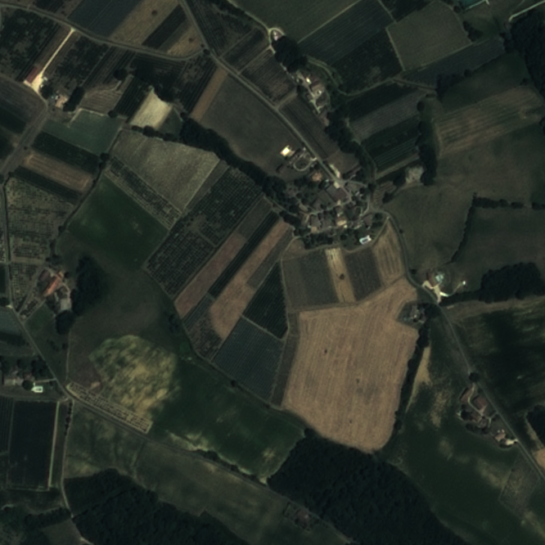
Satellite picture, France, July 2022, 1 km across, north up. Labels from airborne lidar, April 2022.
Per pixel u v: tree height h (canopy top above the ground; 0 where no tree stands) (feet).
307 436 24
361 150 40
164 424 0
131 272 0
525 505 0
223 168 0
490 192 0
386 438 0
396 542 63
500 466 0
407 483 61
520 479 0
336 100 24
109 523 71
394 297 0
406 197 0
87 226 0
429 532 44
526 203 0
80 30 0
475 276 0
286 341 0
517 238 0
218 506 0
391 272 0
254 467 0
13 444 0
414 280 0
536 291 41
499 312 0
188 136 48
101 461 0
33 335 0
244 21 0
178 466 0
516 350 0
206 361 0
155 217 0
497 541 0
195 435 0
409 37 0
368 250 0
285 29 0
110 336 0
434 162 57
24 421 0
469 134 0
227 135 0
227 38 0
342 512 37
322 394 0
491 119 0
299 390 0
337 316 0
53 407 0
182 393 0
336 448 47
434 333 0
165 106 0
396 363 0
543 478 0
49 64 0
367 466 35
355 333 0
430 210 0
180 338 0
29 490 0
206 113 0
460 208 0
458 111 0
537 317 0
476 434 0
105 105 0
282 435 0
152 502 99
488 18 0
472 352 0
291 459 35
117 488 55
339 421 0
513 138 0
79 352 0
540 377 0
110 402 0
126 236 0
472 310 0
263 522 0
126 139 0
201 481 0
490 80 0
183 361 0
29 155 0
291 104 0
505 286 51
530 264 33
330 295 0
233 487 0
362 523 27
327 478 21
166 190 0
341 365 0
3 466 0
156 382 0
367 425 0
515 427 0
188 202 0
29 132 0
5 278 0
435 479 0
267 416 0
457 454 0
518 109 0
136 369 0
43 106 0
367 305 0
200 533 81
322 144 0
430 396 0
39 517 24
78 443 0
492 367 0
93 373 0
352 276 0
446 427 0
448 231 0
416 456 0
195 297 0
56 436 0
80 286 67
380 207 0
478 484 0
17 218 0
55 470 0
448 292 0
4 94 0
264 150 0
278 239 0
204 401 0
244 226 0
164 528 76
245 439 0
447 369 0
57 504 0
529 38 76
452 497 0
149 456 0
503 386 0
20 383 0
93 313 0
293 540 0
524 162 0
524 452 0
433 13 0
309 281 0
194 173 0
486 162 0
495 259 0
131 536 53
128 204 0
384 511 68
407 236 0
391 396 0
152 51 0
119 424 0
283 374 0
